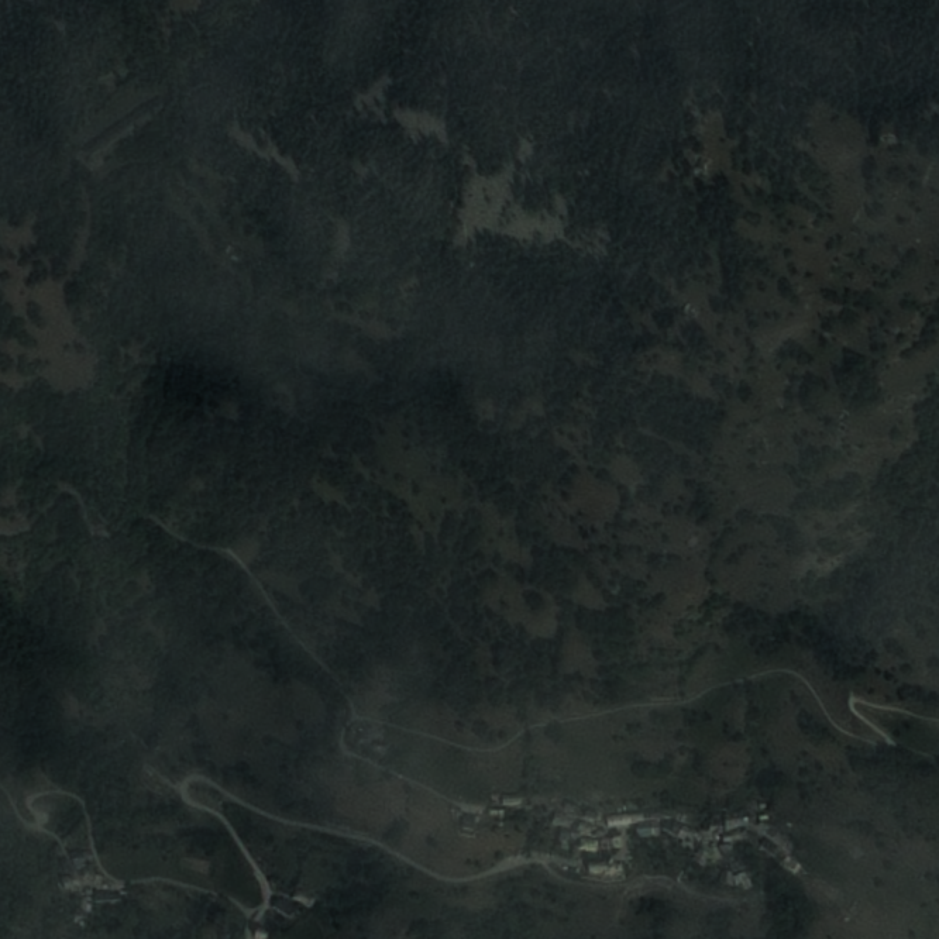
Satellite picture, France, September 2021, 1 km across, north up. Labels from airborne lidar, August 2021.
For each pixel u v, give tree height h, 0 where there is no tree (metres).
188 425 16
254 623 10
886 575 13
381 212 22
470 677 13
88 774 13
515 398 16
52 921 9
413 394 15
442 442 10
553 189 10
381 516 15
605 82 18
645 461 13
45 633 19
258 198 11
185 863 0
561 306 24
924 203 0
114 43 13
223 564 7
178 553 15
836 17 24
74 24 18
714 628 7
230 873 0
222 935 9
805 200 11
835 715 0
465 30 21
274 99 13
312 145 15
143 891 6
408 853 0
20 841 17
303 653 10
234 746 0
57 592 16
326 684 13
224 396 18
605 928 0
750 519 8
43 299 0
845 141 0
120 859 0
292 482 18
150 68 11
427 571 15
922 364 0
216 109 17
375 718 0
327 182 21
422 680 16
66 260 18
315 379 11
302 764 6
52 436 18
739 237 11
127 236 15
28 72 20
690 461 9
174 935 10
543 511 0
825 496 15
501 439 12
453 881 0
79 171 11
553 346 17
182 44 10
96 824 8
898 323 0
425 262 27
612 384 10
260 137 8
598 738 0
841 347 0
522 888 7
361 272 19
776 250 7
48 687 20
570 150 22
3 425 8
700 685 0
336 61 14
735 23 12
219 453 18
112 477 9
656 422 22
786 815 0
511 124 14
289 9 16
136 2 15
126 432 8
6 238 0
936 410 9
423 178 24
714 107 20
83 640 8
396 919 0
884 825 0
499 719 0
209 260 14
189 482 10
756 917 0
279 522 15
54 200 8
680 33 18
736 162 17
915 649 0
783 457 0
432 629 19
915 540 13
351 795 0
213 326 20
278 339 20
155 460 22
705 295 0
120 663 6
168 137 8
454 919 8
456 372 12
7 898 15
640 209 12
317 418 17
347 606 15
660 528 8
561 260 14
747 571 0
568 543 0
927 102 23
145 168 8
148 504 11
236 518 18
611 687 17
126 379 9
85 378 0
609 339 15
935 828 0
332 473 15
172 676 16
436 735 0
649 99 14
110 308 9
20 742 14
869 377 8
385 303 15
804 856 0
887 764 17
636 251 22
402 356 17
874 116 15
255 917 0
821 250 0
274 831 0
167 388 14
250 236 14
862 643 9
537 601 16
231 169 23
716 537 8
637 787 0
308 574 18
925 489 11
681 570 0
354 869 10
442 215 20
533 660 18
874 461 0
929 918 0
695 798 0
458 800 0
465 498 9
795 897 14
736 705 0
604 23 15
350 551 14
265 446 22
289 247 15
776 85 17
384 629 15
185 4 0
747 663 0
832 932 0
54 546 9
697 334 17
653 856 8
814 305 0
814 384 17
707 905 0
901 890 0
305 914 5
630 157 22
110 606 14
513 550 0
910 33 20
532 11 13
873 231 0
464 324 16
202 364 21
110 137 0
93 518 6
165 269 19
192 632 16
